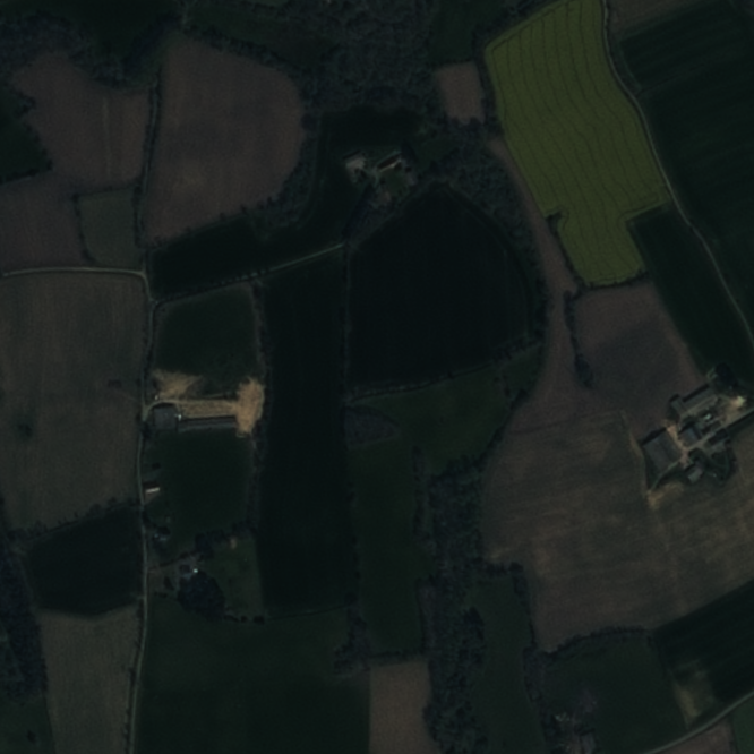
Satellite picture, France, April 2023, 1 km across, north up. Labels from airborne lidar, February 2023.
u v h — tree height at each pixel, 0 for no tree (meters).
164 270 0
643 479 0
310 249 0
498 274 0
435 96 7
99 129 0
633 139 0
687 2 0
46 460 0
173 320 0
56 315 0
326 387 0
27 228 0
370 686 0
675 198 0
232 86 0
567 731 0
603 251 0
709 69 0
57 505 0
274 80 0
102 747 0
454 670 16
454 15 0
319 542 0
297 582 0
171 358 0
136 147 0
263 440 12
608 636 10
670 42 0
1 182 11
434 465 0
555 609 0
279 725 0
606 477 0
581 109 0
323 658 0
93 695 0
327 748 0
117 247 0
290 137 0
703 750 0
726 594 0
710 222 0
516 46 0
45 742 0
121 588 0
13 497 0
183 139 0
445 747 7
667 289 0
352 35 18
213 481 0
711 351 0
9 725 0
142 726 0
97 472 0
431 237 0
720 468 0
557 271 0
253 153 0
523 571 7
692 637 0
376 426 18
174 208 0
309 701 0
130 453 0
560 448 0
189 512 0
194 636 0
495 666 0
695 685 0
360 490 0
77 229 0
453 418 0
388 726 0
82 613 0
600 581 0
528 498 0
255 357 0
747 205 0
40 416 0
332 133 0
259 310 10
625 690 0
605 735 0
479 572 19
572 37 0
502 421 0
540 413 0
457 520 23
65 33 19
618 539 0
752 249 0
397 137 0
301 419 0
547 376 0
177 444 0
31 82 0
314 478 0
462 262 0
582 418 0
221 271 0
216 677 0
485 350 0
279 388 0
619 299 0
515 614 0
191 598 22
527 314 0
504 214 11
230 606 0
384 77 22
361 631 15
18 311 0
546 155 0
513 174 0
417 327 0
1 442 0
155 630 0
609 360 0
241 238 0
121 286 0
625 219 0
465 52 0
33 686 20
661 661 0
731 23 0
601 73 0
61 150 0
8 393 0
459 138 18
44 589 0
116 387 0
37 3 0
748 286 0
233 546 0
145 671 0
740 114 0
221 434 0
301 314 0
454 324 0
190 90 0
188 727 0
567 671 0
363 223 10
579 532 0
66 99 0
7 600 22
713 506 0
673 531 0
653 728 0
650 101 0
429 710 10
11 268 0
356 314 0
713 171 0
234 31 0
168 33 26
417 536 13
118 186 0
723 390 0
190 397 0
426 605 14
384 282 0
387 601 0
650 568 0
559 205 0
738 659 0
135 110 0
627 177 0
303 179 13
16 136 0
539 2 6
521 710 0
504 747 0
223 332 0
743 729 0
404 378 0
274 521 0
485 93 11
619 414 0
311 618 0
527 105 0
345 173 0
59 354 0
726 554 0
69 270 0
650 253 0
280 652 0
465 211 0
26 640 22
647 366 0
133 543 0
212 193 0
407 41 11
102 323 0
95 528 0
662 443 0
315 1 12
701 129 0
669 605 0
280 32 0
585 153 0
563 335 0
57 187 0
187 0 19
